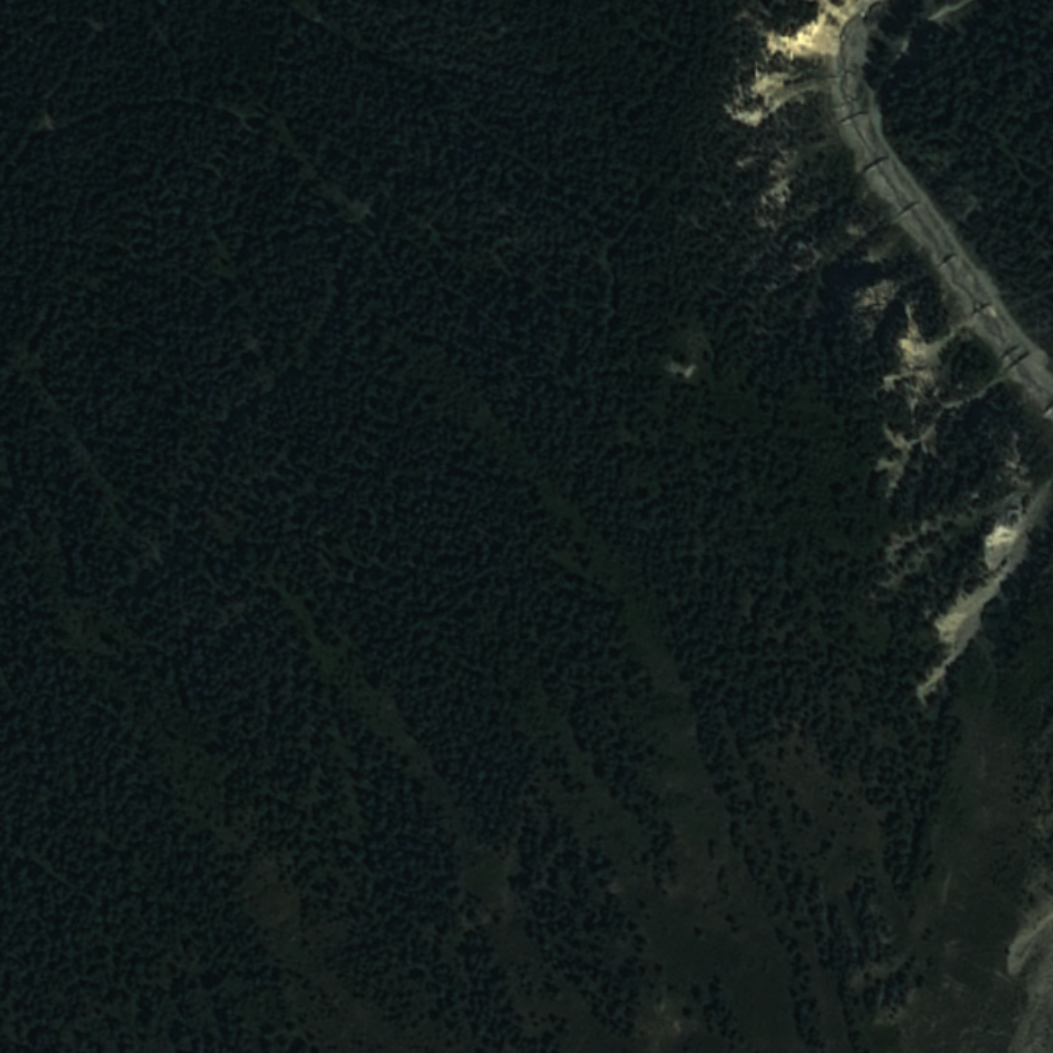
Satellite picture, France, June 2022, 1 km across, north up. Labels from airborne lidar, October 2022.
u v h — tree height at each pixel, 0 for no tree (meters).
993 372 9
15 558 23
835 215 17
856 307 14
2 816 28
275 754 20
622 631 18
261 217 20
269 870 0
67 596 7
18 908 24
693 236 22
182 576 29
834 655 13
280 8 29
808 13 13
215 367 33
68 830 21
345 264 16
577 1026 0
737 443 8
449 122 28
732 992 0
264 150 31
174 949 17
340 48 15
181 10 29
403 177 14
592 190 20
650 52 28
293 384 9
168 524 23
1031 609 11
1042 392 0
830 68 0
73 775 33
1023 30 18
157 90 19
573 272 7
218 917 27
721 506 16
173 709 8
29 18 21
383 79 24
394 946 7
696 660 18
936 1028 0
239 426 19
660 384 15
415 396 21
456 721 17
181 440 30
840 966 9
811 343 25
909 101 25
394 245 22
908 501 23
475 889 0
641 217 14
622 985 12
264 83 15
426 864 13
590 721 19
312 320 28
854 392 22
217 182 30
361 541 20
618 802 8
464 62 20
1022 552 0
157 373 8
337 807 21
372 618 23
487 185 26
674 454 19
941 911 0
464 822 6
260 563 7
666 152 19
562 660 17
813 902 12
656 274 13
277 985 13
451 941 13
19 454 32
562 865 12
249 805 7
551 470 15
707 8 19
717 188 7
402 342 6
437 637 7
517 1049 15
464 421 8
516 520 21
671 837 15
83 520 21
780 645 18
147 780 24
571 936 8
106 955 20
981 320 0
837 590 16
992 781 0
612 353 14
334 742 31
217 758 25
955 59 28
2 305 12
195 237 34
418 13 19
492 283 16
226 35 15
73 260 18
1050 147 30
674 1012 0
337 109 11
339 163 29
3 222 29
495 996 12
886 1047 0
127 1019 5
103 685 9
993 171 17
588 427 10
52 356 20
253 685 21
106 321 24
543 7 18
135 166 29
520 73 19
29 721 26
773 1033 0
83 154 23
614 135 22
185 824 8
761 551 17
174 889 23
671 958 0
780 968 0
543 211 19
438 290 23
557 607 21
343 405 19
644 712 6
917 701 16
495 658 22
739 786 13
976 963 0
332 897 22
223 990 21
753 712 19
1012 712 6
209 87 16
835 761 14
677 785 0
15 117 24
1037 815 6
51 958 22
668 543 18
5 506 6
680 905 0
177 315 14
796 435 6
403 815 14
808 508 15
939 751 15
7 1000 15
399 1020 7
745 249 14
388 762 6
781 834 11
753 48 19
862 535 7
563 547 17
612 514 20
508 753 15
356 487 24
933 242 0
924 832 17
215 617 22
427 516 19
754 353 30
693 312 24
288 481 28
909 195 0
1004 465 16
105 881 32
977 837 0
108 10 30
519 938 0
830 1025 0
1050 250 24
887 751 9
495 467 23
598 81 18
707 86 22
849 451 17
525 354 24
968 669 6
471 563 24
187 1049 13
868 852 6
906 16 17
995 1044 0
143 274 9
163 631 21
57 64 24
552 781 6
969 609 0
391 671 22
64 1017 15
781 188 8
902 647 15
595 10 31
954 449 18
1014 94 26
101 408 9
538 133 20
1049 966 0
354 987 5
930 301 18
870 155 0
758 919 0
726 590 17
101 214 24
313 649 31
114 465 16
